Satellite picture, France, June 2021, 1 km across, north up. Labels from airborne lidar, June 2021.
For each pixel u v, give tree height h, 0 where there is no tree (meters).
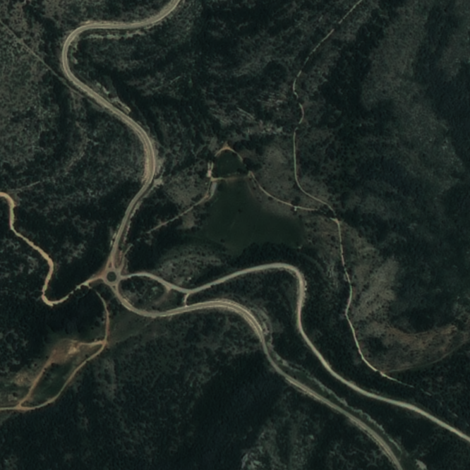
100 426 9
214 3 8
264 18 10
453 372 8
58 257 7
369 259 0
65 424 9
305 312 11
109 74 13
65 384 0
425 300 7
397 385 11
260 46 6
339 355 11
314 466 8
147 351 6
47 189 7
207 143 7
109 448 7
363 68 10
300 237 0
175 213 9
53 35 8
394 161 9
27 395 0
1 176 6
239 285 7
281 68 11
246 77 10
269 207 0
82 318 15
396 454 0
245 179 0
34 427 10
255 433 7
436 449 7
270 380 11
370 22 8
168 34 7
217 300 0
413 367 0
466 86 7
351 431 6
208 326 8
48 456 5
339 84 10
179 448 10
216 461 8
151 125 7
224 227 0
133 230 11
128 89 11
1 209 9
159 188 6
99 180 5
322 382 8
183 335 9
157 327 0
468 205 13
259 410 9
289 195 0
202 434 6
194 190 0
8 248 6
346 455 7
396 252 7
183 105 10
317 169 8
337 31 7
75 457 6
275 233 0
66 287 12
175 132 8
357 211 9
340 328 7
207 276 6
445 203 6
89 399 10
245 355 7
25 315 7
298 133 8
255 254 11
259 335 0
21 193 6
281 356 6
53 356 0
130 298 0
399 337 0
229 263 13
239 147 13
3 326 7
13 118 6
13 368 8
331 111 6
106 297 12
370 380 9
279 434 6
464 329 7
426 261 7
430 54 8
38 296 6
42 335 12
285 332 6
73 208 7
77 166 6
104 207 9
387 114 8
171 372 6
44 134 10
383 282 0
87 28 0
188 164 10
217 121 6
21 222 8
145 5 7
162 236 12
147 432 8
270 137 8
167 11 0
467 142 8
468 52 0
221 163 0
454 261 7
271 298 7
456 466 7
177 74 6
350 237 0
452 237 7
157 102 13
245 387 15
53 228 7
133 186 8
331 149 9
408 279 11
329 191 8
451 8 7
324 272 7
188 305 0
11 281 8
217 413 9
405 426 9
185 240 7
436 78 9
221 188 9
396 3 6
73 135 7
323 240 0
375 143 6
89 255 11
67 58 0
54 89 10
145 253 13
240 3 8
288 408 7
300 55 10
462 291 6
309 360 10
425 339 0
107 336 0
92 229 5
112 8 8
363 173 9
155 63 10
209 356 6
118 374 7
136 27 0
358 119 9
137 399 10
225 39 8
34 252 7
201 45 10
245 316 0
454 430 0
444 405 10
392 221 7
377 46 9
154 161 0
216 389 8
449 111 11
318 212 8
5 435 5
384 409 10
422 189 7
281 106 7
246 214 0
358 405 7
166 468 11
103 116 10
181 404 6
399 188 9
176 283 0
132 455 7
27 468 9
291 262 9
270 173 0
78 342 0
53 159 6
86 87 0
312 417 7
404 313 10
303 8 10
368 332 0
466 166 6
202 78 10
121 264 0
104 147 7
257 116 6
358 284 0
